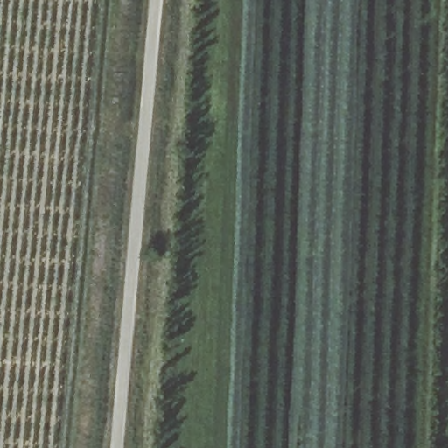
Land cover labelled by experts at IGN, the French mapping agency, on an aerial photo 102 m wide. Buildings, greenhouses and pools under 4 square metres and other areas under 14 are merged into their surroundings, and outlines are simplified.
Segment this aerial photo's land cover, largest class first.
<instances>
[{"label":"deciduous trees","instance_id":"1","mask_svg":"<svg viewBox=\"0 0 448 448\"><path fill-rule=\"evenodd\" d=\"M149 0H93L54 448H110ZM98 236H105V271L94 273V243ZM124 448H448V0H163L156 91L150 131L147 192L143 212L142 250L136 290L135 331L129 367Z\"/></svg>","mask_w":448,"mask_h":448},{"label":"vineyard","instance_id":"2","mask_svg":"<svg viewBox=\"0 0 448 448\"><path fill-rule=\"evenodd\" d=\"M93 0H0V448H54ZM94 273L105 271V236H98L94 243Z\"/></svg>","mask_w":448,"mask_h":448},{"label":"impervious surface","instance_id":"3","mask_svg":"<svg viewBox=\"0 0 448 448\"><path fill-rule=\"evenodd\" d=\"M163 0H149L110 448H124L129 367L135 331L136 290L142 250L143 212L147 192L150 131L156 91Z\"/></svg>","mask_w":448,"mask_h":448}]
</instances>
